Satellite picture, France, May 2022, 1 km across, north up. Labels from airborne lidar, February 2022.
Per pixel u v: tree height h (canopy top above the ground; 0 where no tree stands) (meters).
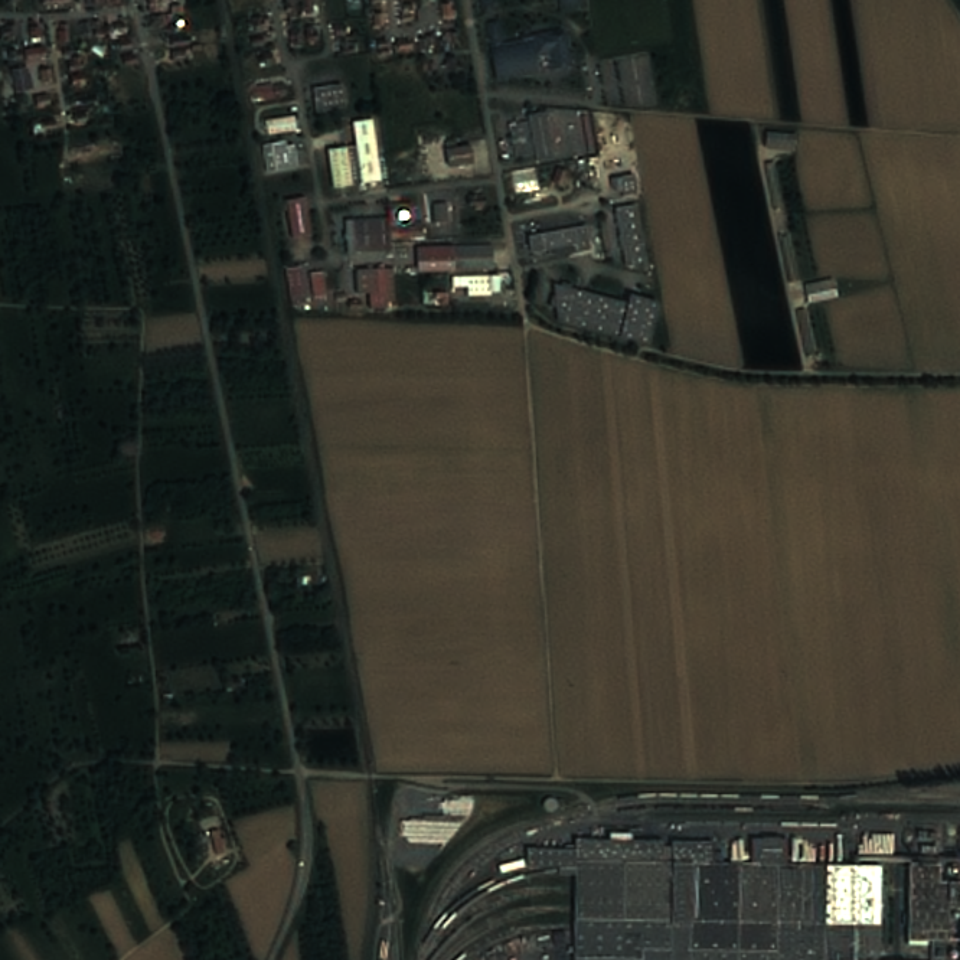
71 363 0
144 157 8
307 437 0
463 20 0
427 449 0
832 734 0
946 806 0
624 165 0
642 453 0
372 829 0
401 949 0
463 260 0
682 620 0
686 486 0
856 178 0
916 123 0
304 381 0
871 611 0
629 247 0
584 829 0
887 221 0
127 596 0
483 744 0
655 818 0
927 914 0
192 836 8
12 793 0
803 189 0
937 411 0
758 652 0
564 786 0
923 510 0
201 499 6
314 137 0
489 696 0
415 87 0
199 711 0
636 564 0
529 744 0
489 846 0
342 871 0
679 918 0
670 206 0
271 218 0
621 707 0
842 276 0
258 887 0
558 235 0
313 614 0
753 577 0
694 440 0
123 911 0
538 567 0
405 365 0
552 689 0
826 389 0
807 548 0
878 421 0
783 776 0
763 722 0
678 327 0
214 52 0
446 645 0
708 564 0
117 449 6
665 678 0
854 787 9
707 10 0
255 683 7
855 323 0
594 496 0
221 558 0
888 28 0
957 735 0
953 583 0
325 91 0
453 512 0
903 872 0
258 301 0
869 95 0
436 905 0
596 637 0
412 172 0
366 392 0
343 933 9
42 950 0
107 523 0
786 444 0
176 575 0
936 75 0
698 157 0
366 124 0
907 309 0
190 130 0
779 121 0
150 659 0
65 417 7
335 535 0
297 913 0
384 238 0
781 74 0
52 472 0
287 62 0
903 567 0
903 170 0
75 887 6
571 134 0
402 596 0
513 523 0
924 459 0
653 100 0
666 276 0
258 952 0
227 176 0
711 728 0
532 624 0
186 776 0
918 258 0
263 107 0
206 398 12
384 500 0
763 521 0
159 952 0
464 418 0
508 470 0
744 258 0
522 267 0
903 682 0
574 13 0
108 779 9
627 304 0
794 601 0
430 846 0
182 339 0
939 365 0
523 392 0
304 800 0
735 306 0
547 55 0
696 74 0
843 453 0
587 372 0
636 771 0
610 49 0
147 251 9
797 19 0
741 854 0
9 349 0
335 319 0
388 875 0
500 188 0
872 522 0
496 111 0
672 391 0
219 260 0
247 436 0
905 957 0
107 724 0
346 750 0
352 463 0
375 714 0
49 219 10
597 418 0
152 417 11
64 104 0
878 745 0
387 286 0
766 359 0
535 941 0
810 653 0
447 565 0
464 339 0
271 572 6
